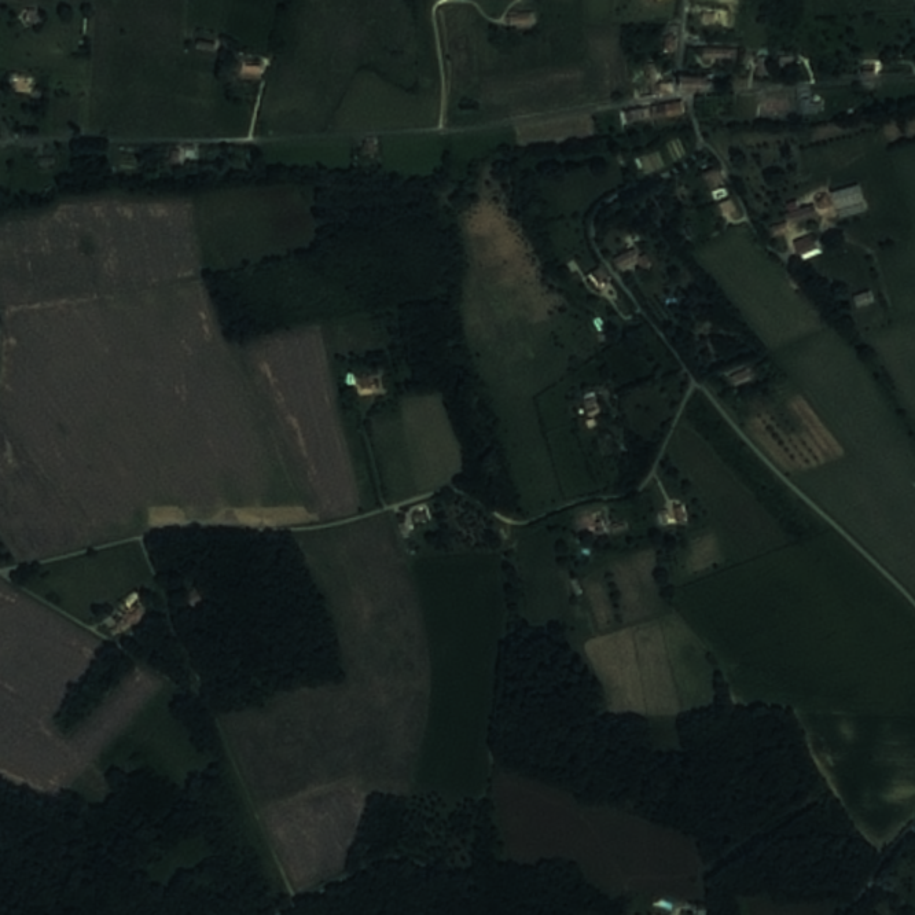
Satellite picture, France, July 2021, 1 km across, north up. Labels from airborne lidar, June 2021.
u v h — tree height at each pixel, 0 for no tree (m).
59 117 0
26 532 0
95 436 0
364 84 0
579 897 13
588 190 0
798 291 6
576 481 0
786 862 22
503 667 12
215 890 14
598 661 0
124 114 0
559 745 21
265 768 0
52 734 0
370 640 0
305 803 0
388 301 9
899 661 0
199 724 13
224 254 0
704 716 14
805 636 0
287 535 14
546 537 0
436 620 0
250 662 23
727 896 18
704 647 0
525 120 0
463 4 0
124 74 0
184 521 0
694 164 17
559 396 0
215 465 0
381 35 0
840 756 0
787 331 0
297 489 0
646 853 0
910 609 0
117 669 21
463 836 9
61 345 0
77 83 0
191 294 0
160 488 0
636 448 12
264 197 0
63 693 0
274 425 0
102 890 14
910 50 10
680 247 18
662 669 0
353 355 10
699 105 9
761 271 0
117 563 0
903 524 0
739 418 0
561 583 0
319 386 0
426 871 13
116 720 0
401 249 10
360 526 0
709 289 12
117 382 0
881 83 0
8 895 23
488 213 0
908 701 0
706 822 15
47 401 0
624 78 0
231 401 0
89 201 0
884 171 0
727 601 0
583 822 0
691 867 0
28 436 0
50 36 0
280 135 0
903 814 0
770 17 14
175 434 0
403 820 11
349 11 0
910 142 8
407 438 0
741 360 14
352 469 0
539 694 24
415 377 11
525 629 18
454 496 12
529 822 0
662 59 16
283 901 12
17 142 0
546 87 0
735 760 19
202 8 0
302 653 21
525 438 0
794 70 16
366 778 0
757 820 22
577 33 0
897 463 0
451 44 0
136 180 12
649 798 14
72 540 0
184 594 20
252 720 0
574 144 15
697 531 0
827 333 0
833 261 0
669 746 0
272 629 19
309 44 0
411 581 0
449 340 21
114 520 0
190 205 0
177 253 0
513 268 0
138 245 0
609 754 26
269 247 0
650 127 6
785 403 0
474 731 0
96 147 19
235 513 0
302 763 0
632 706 0
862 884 17
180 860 0
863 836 10
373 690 0
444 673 0
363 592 0
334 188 12
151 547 13
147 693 0
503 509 12
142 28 0
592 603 0
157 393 0
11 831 23
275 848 0
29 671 0
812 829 14
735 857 16
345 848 0
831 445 0
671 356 8
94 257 0
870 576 0
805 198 0
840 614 0
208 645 23
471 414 22
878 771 0
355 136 0
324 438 0
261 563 20
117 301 0
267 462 0
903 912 13
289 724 0
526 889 14
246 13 0
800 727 11
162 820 6
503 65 0
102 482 0
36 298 0
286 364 0
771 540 0
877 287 0
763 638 0
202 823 21
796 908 0
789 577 0
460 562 0
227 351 0
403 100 0
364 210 22
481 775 0
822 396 0
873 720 0
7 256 0
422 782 0
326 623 11
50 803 26
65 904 19
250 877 8
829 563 0
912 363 0
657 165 0
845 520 0
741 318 8
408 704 0
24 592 0
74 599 0
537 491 0
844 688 0
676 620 0
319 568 0
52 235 0
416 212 14
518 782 0
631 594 0
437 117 0
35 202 19
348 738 0
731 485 0
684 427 0
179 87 0
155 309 0
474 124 0
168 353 0
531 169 6
